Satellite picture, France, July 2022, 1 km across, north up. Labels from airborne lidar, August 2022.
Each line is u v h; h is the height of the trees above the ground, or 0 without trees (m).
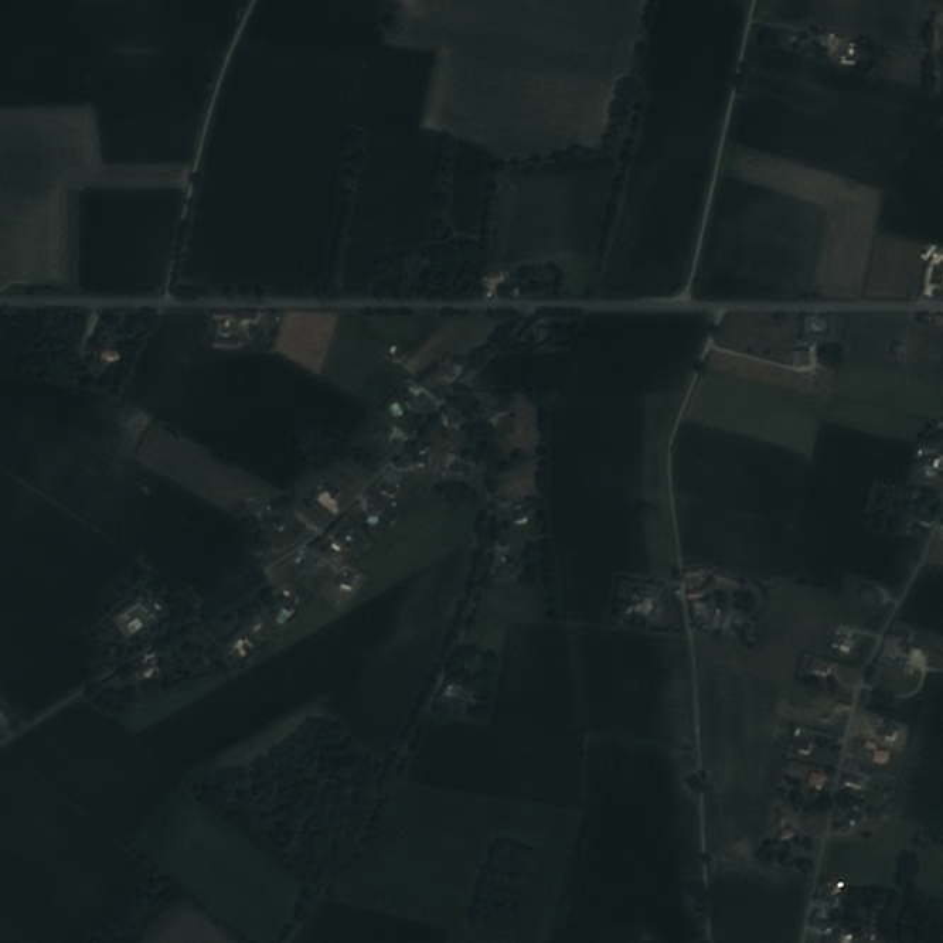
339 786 29
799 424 0
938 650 0
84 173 0
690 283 0
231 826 11
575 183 0
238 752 0
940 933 9
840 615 0
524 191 0
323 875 22
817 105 0
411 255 10
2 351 30
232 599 22
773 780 0
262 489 0
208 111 0
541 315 16
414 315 13
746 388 0
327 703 0
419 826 0
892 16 0
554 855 0
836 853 0
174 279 9
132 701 22
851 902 14
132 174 0
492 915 27
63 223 0
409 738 14
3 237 0
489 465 10
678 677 0
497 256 0
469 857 0
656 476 0
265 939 0
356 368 0
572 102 0
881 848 0
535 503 12
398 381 0
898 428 0
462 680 14
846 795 15
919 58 0
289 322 0
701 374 12
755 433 0
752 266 0
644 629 9
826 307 0
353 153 16
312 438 25
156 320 16
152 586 11
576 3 0
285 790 18
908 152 0
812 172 0
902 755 0
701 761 0
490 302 0
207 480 0
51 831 0
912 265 0
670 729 0
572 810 0
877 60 12
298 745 22
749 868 0
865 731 0
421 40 0
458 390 16
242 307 0
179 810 0
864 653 0
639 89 23
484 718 9
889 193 0
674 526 0
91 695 14
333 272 13
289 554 0
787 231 0
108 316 15
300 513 0
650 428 0
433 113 0
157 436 0
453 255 21
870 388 0
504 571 0
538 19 0
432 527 0
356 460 12
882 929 15
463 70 0
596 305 0
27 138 0
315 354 0
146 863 8
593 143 0
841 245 0
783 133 0
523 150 0
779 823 0
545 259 0
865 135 0
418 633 0
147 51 0
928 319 7
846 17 0
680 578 12
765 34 10
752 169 0
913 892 13
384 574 0
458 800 0
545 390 20
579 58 0
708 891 18
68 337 22
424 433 16
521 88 0
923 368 0
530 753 0
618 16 0
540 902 0
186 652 13
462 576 0
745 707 0
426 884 0
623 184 9
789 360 0
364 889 0
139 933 25
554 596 10
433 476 0
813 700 0
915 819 0
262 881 0
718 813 0
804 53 6
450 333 0
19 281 0
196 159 0
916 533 10
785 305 0
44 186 0
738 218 0
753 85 0
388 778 25
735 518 0
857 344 0
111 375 10
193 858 0
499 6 0
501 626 0
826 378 0
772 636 0
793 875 0
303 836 26
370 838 23
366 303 0
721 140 0
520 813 0
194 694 0
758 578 0
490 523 11
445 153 14
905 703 0
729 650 0
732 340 0
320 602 0
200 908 8
